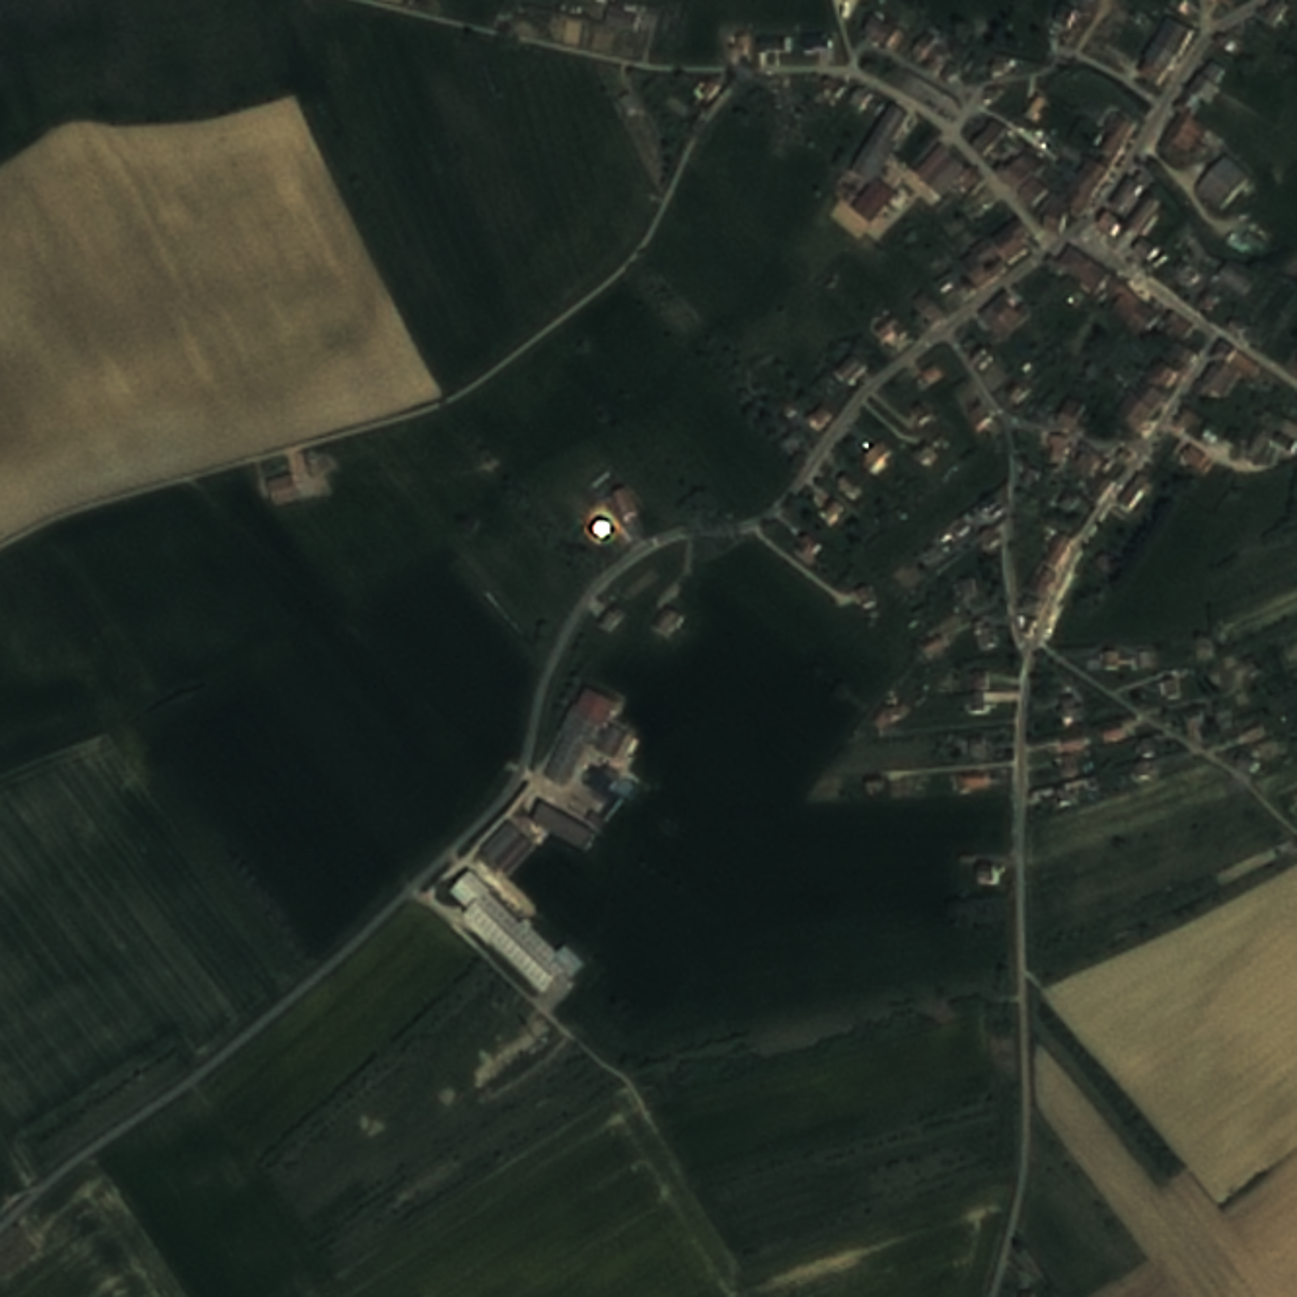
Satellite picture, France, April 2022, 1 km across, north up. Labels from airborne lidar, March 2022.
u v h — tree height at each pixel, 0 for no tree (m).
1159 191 8
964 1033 0
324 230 0
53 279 0
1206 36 0
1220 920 0
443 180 0
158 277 0
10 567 0
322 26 0
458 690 0
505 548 0
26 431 0
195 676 0
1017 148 0
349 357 0
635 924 0
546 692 0
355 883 0
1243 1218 0
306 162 0
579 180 0
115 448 0
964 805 0
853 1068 0
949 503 0
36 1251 0
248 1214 0
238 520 0
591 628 0
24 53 0
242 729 0
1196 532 0
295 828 0
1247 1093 0
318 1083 0
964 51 13
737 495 0
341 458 0
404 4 0
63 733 0
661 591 0
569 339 0
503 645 0
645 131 0
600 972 0
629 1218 0
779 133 0
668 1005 0
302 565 0
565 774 0
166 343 0
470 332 0
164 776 0
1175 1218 0
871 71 12
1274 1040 0
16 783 0
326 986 0
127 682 0
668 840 0
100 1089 0
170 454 0
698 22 0
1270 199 0
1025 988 0
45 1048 0
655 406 0
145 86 0
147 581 0
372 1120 0
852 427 0
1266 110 0
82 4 0
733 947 0
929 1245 0
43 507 0
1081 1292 0
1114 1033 0
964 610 0
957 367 0
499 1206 0
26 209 0
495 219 0
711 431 0
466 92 0
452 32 0
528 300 0
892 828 0
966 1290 0
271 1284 0
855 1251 0
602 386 0
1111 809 0
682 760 0
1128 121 0
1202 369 0
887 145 0
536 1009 0
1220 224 0
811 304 0
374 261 0
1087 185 0
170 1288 0
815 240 0
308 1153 0
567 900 0
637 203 0
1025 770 0
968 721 0
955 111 0
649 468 0
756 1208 0
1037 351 7
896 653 0
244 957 0
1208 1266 0
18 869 0
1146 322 0
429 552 0
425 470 0
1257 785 0
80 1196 0
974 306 0
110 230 0
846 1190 0
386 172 0
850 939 0
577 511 0
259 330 0
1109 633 0
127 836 0
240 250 0
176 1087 0
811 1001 0
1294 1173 0
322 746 0
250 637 0
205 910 0
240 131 0
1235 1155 0
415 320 0
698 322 0
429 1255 0
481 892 0
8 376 0
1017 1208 0
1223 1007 0
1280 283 8
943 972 0
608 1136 0
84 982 0
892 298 0
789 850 0
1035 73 0
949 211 0
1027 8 15
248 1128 0
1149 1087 0
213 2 0
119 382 0
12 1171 0
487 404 0
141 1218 0
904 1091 0
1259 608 0
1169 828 0
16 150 0
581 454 0
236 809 0
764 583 0
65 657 0
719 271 0
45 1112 0
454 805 0
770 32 0
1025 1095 0
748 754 0
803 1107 0
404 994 0
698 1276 0
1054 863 0
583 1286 0
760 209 0
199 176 0
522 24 0
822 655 0
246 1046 0
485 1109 0
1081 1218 0
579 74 0
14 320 0
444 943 0
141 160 0
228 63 0
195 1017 0
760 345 0
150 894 0
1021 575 0
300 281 0
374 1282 0
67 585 0
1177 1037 0
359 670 0
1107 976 0
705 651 0
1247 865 0
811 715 0
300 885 0
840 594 0
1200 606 0
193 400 0
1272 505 0
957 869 0
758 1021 0
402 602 0
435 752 0
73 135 0
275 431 0
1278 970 0
